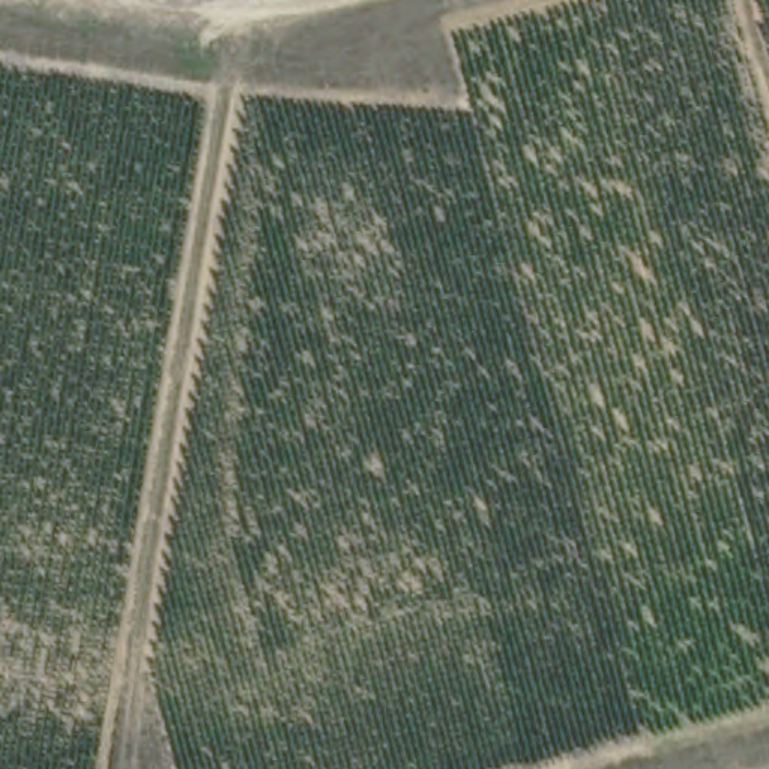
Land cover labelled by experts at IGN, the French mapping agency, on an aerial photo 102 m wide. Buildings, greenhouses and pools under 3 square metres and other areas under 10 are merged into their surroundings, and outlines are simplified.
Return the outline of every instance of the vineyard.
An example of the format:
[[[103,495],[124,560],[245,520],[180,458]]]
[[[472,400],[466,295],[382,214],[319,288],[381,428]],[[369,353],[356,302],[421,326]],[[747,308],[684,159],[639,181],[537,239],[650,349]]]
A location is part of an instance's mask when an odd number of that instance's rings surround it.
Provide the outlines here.
[[[457,78],[454,84],[463,93],[451,93],[442,87],[342,90],[234,81],[228,96],[216,90],[213,81],[192,81],[180,75],[123,69],[87,60],[0,51],[0,769],[769,769],[769,0],[499,0],[451,12],[442,18],[445,51],[451,60],[451,72]]]

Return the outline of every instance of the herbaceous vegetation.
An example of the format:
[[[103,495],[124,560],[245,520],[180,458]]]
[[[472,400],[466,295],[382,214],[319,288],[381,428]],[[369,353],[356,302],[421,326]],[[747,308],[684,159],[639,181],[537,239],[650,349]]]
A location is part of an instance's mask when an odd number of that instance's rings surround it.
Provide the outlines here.
[[[451,12],[499,0],[369,0],[306,18],[264,18],[249,27],[249,33],[225,33],[201,45],[201,36],[192,27],[147,24],[141,12],[126,12],[123,18],[99,18],[93,12],[72,9],[69,3],[45,6],[45,0],[0,0],[0,51],[87,60],[123,69],[180,75],[192,81],[213,81],[216,90],[228,96],[234,81],[342,90],[442,87],[451,93],[463,93],[454,84],[457,78],[451,72],[451,60],[445,51],[442,18]]]

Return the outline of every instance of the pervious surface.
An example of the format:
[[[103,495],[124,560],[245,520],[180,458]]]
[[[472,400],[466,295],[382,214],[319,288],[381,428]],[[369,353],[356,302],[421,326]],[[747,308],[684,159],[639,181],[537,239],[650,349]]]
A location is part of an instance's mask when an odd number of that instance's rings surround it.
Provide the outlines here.
[[[201,45],[225,33],[249,33],[249,27],[264,18],[306,18],[369,0],[45,0],[45,6],[69,3],[72,9],[93,12],[99,18],[123,18],[126,12],[141,12],[147,24],[192,27],[201,36]]]

